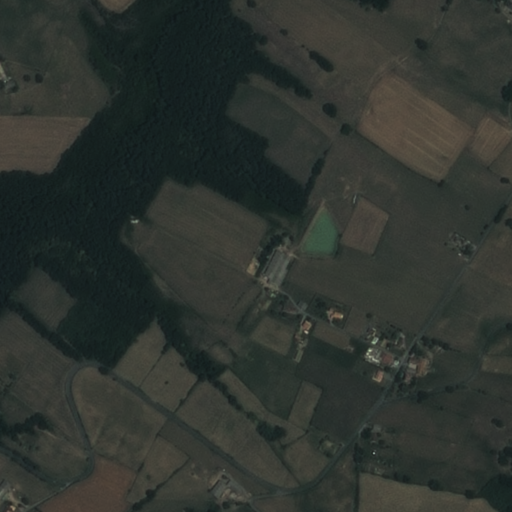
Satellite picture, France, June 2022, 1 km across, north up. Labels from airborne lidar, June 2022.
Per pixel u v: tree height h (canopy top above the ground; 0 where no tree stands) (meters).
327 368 0
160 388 0
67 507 0
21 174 21
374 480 0
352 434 0
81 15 6
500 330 0
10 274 23
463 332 0
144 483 0
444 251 0
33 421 13
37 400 0
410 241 0
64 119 0
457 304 0
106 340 9
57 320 0
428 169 0
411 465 0
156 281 0
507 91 17
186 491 0
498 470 0
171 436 0
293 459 0
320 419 0
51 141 0
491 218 0
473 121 0
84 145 16
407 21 0
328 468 0
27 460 14
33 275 0
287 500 0
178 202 0
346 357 0
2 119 0
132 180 16
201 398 0
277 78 17
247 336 0
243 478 0
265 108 0
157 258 0
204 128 18
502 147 0
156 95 8
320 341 0
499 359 0
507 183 9
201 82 22
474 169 0
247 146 14
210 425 0
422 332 0
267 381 0
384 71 0
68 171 14
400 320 0
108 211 9
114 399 0
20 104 0
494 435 0
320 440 6
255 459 0
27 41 0
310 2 0
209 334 0
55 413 0
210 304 0
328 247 0
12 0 0
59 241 20
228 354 0
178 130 19
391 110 0
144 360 0
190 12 22
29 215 26
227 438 0
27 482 0
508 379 0
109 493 0
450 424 0
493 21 0
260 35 10
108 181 29
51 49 0
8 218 9
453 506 0
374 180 0
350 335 0
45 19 0
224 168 8
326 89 0
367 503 0
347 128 12
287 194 19
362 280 0
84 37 0
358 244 0
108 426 0
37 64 0
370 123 0
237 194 15
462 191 0
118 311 15
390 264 0
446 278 0
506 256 0
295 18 0
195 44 11
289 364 0
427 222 0
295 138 0
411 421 0
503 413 0
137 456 0
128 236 0
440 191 0
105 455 0
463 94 0
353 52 0
